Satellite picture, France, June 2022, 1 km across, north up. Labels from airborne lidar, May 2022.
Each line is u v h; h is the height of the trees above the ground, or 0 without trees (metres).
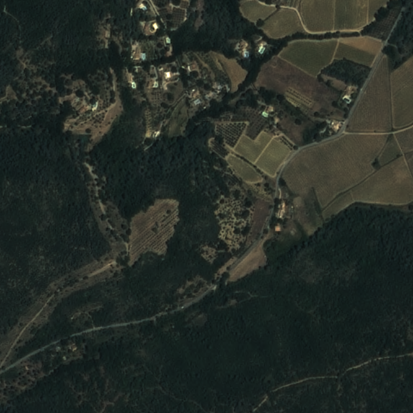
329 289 7
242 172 0
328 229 16
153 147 17
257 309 6
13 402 20
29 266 7
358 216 7
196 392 10
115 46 14
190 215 7
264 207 0
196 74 13
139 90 7
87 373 16
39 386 15
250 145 0
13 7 5
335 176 0
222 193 14
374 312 5
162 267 8
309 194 0
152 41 18
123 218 7
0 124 21
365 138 0
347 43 0
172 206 0
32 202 7
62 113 19
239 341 6
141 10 6
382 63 0
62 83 13
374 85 0
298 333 9
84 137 0
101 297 10
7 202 6
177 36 15
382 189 0
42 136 9
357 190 0
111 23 13
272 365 6
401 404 6
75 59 13
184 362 6
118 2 23
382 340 9
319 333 5
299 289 7
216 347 6
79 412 9
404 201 0
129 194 11
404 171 0
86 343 20
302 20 0
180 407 9
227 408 9
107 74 8
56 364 8
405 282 6
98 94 8
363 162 0
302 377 7
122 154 23
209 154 15
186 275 8
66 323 9
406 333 8
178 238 7
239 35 22
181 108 0
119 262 12
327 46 0
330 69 7
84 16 6
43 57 8
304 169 0
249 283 6
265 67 0
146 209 10
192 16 17
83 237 10
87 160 8
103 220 14
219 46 18
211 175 11
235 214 9
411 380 8
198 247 11
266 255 6
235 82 0
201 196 8
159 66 12
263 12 0
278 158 0
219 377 6
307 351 6
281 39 7
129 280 7
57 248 6
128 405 9
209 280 7
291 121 0
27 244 5
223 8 14
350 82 18
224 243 9
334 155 0
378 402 8
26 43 9
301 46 0
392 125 0
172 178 6
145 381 10
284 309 6
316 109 0
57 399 15
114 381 7
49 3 12
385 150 0
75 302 7
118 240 16
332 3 0
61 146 14
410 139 0
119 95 6
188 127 15
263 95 15
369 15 0
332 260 7
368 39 0
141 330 6
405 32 8
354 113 0
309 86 0
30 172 13
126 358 12
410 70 0
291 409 5
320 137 21
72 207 6
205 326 6
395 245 18
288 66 0
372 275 7
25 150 7
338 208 0
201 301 9
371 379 6
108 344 17
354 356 8
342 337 7
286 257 14
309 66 0
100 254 7
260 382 6
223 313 6
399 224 20
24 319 0
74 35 11
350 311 6
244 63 20
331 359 6
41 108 17
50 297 7
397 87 0
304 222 0
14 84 16
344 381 11
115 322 6
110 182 18
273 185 0
